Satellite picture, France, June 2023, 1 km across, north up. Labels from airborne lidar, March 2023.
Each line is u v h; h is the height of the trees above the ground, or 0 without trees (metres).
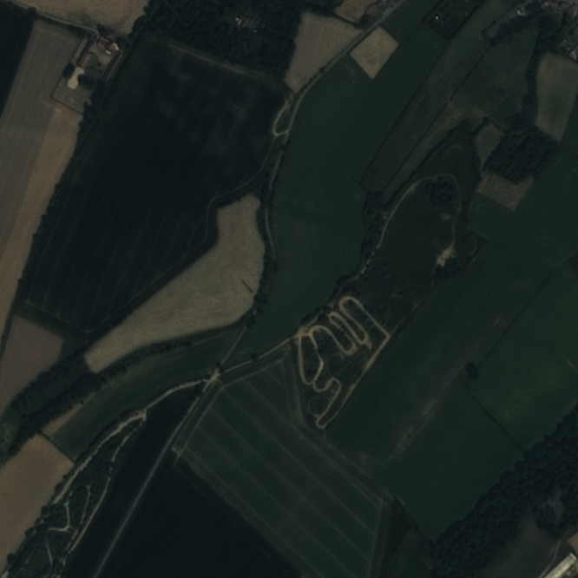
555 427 0
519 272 0
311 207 0
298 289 0
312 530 0
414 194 0
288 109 0
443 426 0
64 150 0
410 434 0
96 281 0
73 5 0
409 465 0
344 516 0
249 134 0
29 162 0
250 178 0
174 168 0
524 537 0
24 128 0
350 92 0
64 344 0
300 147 0
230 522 0
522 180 7
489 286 0
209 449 0
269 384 0
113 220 0
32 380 0
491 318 0
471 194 0
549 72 0
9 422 0
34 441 0
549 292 0
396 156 0
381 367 0
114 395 0
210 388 0
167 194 0
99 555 0
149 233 0
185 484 0
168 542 0
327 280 0
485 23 0
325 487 0
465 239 0
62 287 0
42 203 0
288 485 0
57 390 0
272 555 0
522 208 0
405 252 0
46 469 0
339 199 0
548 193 0
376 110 0
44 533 8
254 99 0
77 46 0
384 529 0
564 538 0
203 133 0
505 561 0
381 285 0
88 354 0
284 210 0
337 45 0
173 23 17
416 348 0
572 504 26
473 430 0
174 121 0
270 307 0
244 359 0
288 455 0
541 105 0
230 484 0
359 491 0
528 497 27
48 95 0
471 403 0
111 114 0
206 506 0
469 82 0
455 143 0
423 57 0
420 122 0
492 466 0
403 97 0
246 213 0
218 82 0
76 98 0
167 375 0
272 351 0
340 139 0
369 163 0
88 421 0
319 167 0
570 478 21
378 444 0
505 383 0
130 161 0
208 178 0
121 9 0
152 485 0
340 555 0
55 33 0
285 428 0
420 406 0
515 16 0
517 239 0
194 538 0
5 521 0
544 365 0
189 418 0
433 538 0
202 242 0
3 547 0
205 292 0
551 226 0
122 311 0
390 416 0
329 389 0
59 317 0
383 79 0
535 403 0
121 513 0
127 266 0
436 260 0
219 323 0
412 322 0
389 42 0
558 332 0
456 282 0
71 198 0
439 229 0
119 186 0
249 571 0
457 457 0
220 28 14
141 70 0
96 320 0
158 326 0
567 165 0
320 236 0
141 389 0
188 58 0
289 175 0
